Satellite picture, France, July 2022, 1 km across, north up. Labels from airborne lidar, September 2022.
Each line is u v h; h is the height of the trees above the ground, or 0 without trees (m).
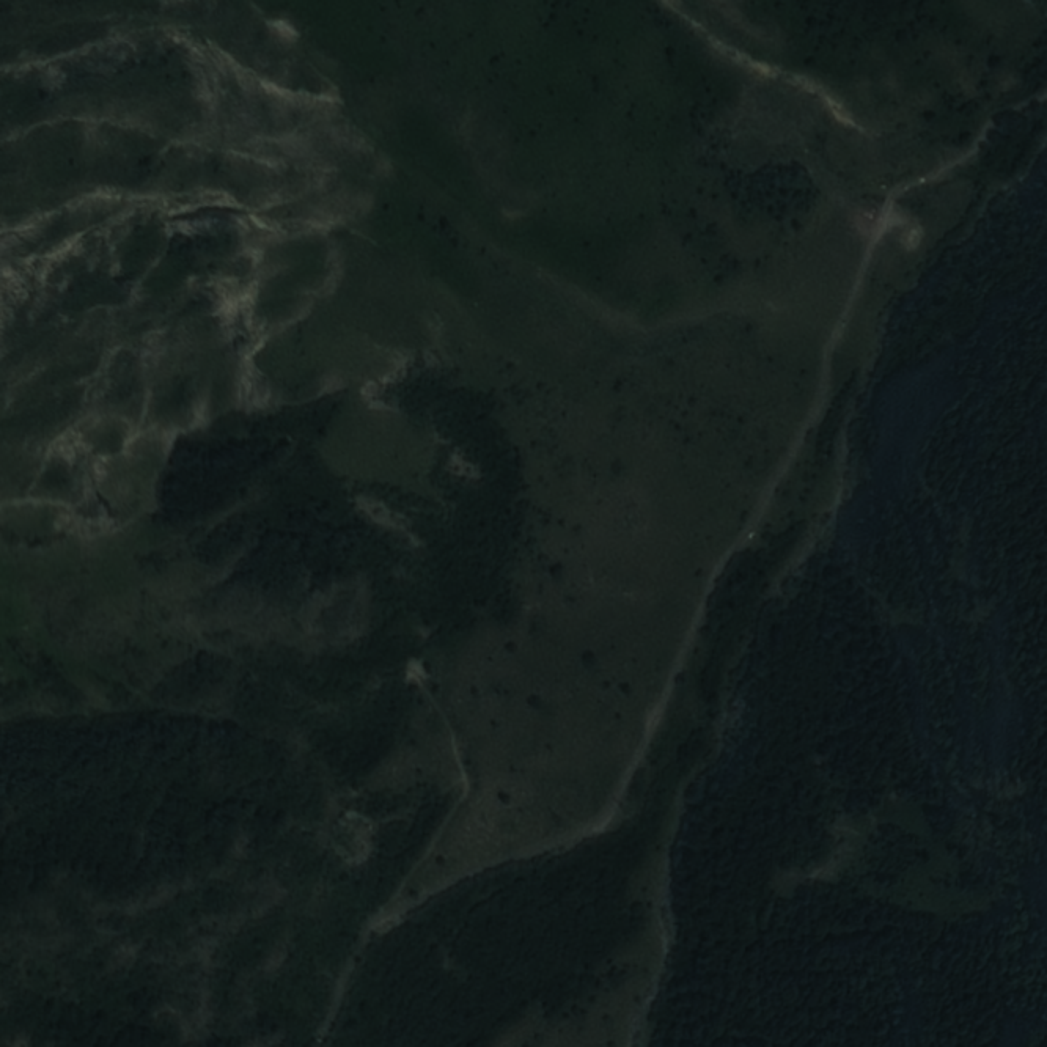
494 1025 9
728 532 0
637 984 0
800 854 17
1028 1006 19
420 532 6
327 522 20
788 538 8
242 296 0
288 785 10
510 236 0
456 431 7
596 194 0
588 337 0
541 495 0
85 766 14
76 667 0
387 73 0
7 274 0
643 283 0
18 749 9
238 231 13
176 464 21
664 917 0
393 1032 9
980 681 20
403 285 0
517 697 0
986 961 19
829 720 20
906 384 8
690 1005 17
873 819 0
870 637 16
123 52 0
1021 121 20
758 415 0
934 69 0
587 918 10
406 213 0
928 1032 17
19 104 0
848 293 0
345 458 0
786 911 12
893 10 8
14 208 0
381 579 9
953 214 0
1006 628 7
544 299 0
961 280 7
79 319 0
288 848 9
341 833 6
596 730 0
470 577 7
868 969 29
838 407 12
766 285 0
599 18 0
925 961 13
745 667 7
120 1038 16
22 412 0
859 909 15
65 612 0
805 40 0
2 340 0
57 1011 9
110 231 0
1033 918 14
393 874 7
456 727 0
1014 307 26
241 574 7
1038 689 13
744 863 21
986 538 15
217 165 7
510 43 0
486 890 8
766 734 8
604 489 0
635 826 7
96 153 0
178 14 9
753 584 9
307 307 0
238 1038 6
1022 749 16
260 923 6
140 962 6
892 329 12
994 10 0
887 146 0
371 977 8
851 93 0
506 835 0
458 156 0
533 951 8
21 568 0
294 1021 8
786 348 0
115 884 14
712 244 0
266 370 0
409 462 0
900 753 22
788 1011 31
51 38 0
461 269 0
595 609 0
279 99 0
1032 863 7
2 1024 7
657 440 0
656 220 0
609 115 0
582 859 7
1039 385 23
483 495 11
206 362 0
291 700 7
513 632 0
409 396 7
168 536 0
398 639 7
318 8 0
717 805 18
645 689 0
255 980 7
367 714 8
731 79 0
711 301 0
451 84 0
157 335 0
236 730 26
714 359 0
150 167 7
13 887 7
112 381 0
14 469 0
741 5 0
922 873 0
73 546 0
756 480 0
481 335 0
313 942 7
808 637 9
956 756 11
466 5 0
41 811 13
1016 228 8
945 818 15
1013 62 0
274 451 9
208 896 8
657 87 0
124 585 0
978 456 21
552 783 0
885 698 25
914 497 12
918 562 11
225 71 0
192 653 6
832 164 0
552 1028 0
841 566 8
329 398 15
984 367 21
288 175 0
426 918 7
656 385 0
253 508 9
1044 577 18
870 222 0
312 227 0
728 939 15
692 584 0
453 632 8
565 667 0
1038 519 21
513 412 0
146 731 15
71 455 0
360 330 0
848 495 0
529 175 0
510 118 0
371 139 0
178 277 0
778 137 0
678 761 7
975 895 9
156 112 0
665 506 0
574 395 0
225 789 12
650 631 0
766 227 0
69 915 6
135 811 14
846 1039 25
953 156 0
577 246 0
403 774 0
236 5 0
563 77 0
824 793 8
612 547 0
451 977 7
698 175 0
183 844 18
